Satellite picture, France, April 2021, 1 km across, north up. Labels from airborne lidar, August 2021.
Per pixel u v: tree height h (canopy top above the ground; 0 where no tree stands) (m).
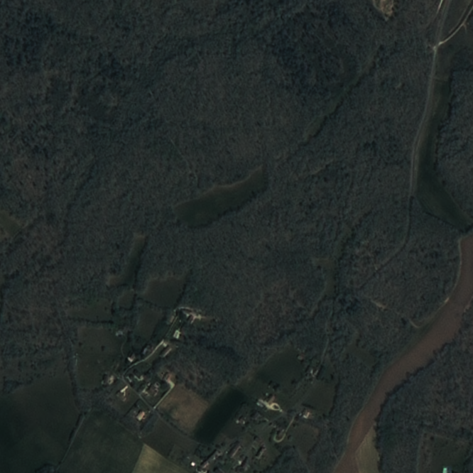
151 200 17
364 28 10
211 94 16
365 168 8
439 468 0
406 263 9
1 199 19
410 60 10
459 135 7
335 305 17
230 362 17
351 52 16
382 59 9
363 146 7
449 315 0
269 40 12
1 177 15
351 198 10
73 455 0
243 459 8
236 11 11
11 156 10
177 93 14
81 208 14
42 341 6
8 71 7
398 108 9
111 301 9
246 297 12
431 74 15
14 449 0
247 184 0
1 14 9
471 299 0
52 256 17
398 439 13
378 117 11
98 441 0
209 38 13
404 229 14
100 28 16
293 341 15
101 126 18
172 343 9
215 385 15
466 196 14
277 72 17
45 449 0
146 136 15
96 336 0
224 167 16
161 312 10
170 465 0
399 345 11
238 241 14
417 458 16
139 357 10
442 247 9
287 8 7
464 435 8
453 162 15
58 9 19
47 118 16
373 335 13
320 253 15
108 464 0
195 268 12
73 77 12
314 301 17
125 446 0
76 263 17
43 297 10
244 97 14
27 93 14
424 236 11
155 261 16
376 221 15
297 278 14
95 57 10
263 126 14
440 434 13
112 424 0
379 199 12
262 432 0
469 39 0
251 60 13
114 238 12
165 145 18
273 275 18
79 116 12
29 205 12
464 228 0
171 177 18
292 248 14
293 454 16
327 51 10
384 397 0
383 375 0
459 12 0
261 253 12
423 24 11
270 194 14
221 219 15
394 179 10
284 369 0
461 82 15
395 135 13
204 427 0
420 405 13
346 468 0
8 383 11
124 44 7
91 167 6
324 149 11
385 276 9
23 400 0
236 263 17
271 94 11
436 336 0
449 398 12
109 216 14
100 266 14
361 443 0
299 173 12
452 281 8
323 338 12
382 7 0
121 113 10
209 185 16
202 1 0
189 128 16
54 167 8
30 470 0
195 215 0
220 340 13
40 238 19
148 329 0
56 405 0
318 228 10
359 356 0
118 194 9
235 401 0
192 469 10
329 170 8
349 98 12
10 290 22
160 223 13
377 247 5
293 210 10
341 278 12
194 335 14
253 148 12
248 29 14
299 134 18
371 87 14
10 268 24
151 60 9
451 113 12
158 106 16
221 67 15
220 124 11
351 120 12
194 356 13
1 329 11
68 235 14
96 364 0
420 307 8
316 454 17
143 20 16
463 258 0
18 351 8
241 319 14
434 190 0
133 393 0
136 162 12
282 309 15
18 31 8
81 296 16
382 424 16
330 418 12
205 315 14
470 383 7
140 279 14
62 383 0
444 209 0
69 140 14
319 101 14
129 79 12
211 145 14
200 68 14
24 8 19
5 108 11
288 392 0
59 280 13
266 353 11
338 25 19
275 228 12
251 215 13
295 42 13
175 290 0
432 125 0
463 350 19
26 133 9
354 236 6
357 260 15
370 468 0
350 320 17
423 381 15
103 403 12
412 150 10
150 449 0
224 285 14
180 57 11
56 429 0
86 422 0
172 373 14
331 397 0
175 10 11
